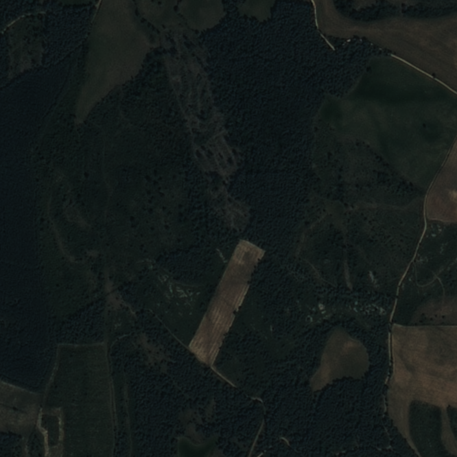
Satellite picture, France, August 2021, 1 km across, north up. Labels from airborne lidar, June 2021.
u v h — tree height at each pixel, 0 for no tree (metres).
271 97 14
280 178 14
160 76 10
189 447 0
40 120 10
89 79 0
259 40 17
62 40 17
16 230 12
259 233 13
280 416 11
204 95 9
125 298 13
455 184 0
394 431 14
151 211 10
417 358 0
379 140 0
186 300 0
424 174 0
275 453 7
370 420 14
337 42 10
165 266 9
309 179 13
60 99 10
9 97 13
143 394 15
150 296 0
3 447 9
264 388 9
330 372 0
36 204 12
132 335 9
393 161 0
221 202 6
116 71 0
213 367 0
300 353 11
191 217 8
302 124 14
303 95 12
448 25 0
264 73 18
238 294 0
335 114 0
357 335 13
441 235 0
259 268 9
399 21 0
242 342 8
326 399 13
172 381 10
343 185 6
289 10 16
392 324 12
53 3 15
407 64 0
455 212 0
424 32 0
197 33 13
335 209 0
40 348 10
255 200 15
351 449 9
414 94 0
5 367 10
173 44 16
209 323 0
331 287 11
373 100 0
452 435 0
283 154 7
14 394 0
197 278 13
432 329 0
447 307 0
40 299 12
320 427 15
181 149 8
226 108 14
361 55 19
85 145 7
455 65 0
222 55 19
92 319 13
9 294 9
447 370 0
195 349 0
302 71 14
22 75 11
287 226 12
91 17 11
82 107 0
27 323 10
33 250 13
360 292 12
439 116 0
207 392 11
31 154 6
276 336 8
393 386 0
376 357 16
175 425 13
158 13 0
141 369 11
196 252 9
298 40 19
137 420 12
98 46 0
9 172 10
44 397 0
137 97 16
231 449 13
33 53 10
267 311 9
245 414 16
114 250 0
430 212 0
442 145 0
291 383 14
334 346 0
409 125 0
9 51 18
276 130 13
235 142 15
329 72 18
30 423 0
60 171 0
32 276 13
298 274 6
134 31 0
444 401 0
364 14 8
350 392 11
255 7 0
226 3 14
